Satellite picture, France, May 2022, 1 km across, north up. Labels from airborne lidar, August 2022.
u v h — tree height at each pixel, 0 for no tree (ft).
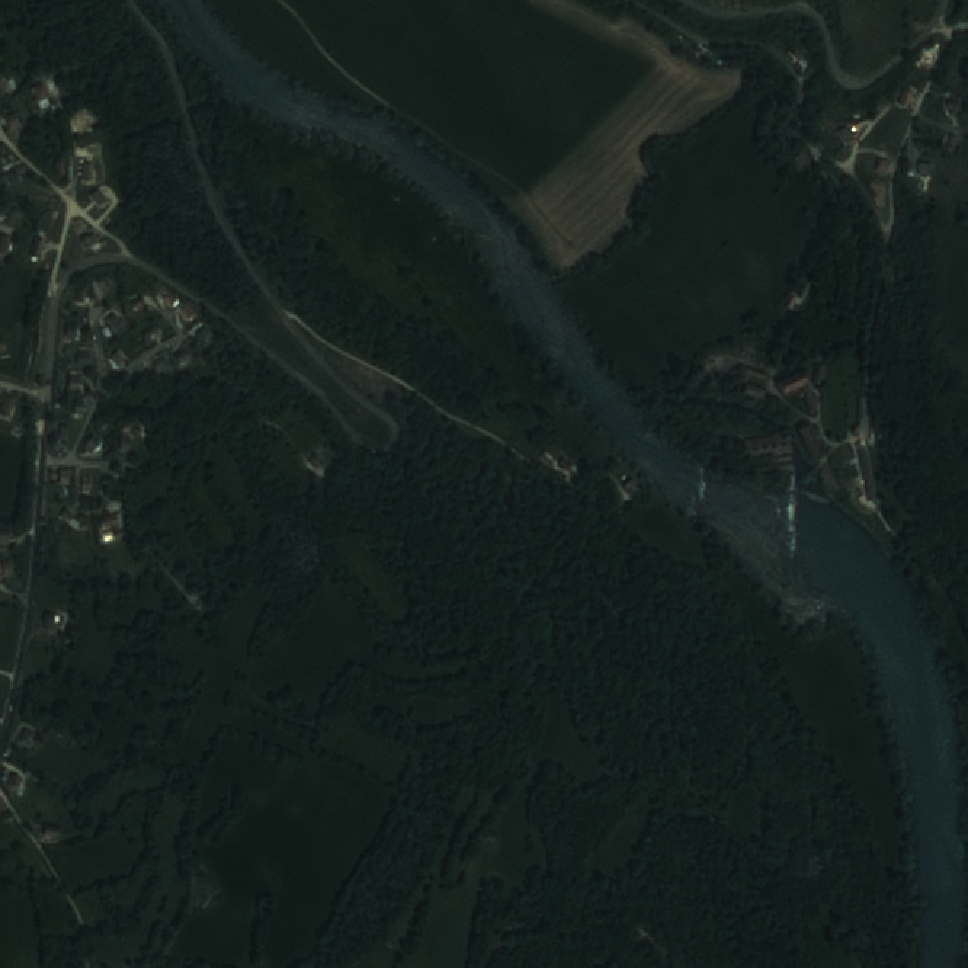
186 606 46
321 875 0
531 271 0
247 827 0
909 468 61
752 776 85
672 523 0
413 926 38
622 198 0
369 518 58
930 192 0
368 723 49
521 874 0
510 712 47
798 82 32
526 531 50
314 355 0
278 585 59
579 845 49
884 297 23
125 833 31
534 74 0
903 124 0
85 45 59
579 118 0
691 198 0
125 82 63
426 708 0
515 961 48
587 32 0
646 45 0
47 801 0
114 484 47
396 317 83
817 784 73
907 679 0
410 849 37
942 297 0
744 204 0
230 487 0
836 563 0
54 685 21
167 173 73
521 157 0
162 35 39
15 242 20
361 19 0
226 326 51
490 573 53
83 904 0
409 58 0
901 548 58
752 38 24
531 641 31
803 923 73
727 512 0
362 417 0
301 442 0
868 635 0
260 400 45
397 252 0
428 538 58
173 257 53
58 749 0
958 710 31
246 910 0
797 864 95
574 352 0
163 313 0
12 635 0
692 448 72
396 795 24
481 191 97
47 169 28
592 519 86
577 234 0
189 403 50
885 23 0
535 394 0
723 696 78
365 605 44
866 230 63
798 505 0
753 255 0
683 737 56
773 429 34
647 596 73
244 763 0
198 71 56
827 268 63
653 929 52
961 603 99
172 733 55
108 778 26
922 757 0
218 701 0
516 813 0
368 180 0
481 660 59
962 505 54
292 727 27
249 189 83
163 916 31
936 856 0
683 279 0
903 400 56
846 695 0
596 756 0
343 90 0
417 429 63
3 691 0
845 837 83
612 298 0
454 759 46
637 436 0
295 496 42
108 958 0
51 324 0
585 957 82
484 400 61
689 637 61
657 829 48
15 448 0
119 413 49
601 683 56
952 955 0
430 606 60
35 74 39
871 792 0
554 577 52
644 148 33
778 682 49
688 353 0
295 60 0
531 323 0
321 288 54
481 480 48
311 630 0
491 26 0
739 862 78
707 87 0
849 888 64
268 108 0
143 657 47
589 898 45
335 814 0
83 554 0
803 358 25
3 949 0
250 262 53
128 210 51
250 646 22
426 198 33
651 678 62
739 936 80
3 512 0
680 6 24
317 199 0
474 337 0
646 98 0
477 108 0
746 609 0
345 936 49
